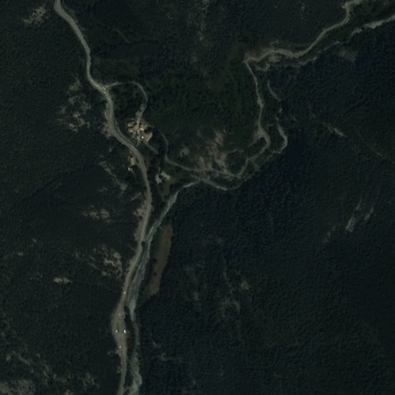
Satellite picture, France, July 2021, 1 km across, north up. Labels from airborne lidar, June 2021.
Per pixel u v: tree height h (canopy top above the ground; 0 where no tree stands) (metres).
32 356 12
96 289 25
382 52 13
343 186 12
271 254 13
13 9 9
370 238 12
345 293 10
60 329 16
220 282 8
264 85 13
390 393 11
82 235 14
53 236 12
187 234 8
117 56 19
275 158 7
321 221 8
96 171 18
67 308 22
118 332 0
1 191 10
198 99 8
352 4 0
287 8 8
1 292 11
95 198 14
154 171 13
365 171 11
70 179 18
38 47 12
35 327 12
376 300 13
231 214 16
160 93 6
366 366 11
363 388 8
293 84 13
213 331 16
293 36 11
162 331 10
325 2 9
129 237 15
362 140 9
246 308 6
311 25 12
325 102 9
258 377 13
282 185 20
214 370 8
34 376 15
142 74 7
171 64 13
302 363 9
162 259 0
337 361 9
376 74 11
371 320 8
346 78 13
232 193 6
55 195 15
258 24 11
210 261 10
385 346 8
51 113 7
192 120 7
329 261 15
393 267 14
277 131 10
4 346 11
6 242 7
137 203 12
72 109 6
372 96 12
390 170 17
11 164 9
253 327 8
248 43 7
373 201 8
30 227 14
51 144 9
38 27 11
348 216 7
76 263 15
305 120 9
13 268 9
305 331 11
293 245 12
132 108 7
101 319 18
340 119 8
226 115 9
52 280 15
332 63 14
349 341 9
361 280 12
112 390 24
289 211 10
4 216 8
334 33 8
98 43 6
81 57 10
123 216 13
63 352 14
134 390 0
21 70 9
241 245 7
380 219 8
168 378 6
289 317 11
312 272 11
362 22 7
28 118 8
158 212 8
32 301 15
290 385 7
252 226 8
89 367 19
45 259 10
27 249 10
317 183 10
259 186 16
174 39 15
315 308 7
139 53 20
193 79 10
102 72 9
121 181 9
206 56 9
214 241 7
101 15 10
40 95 12
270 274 8
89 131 11
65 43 11
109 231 11
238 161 8
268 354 8
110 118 0
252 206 12
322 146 14
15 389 7
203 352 7
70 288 12
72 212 11
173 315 7
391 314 11
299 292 8
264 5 10
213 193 13
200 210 12
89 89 10
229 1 14
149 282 6
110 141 13
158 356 9
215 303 8
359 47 10
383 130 8
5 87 10
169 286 12
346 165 13
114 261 7
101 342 24
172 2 7
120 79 13
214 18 11
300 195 6
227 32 12
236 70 11
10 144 9
